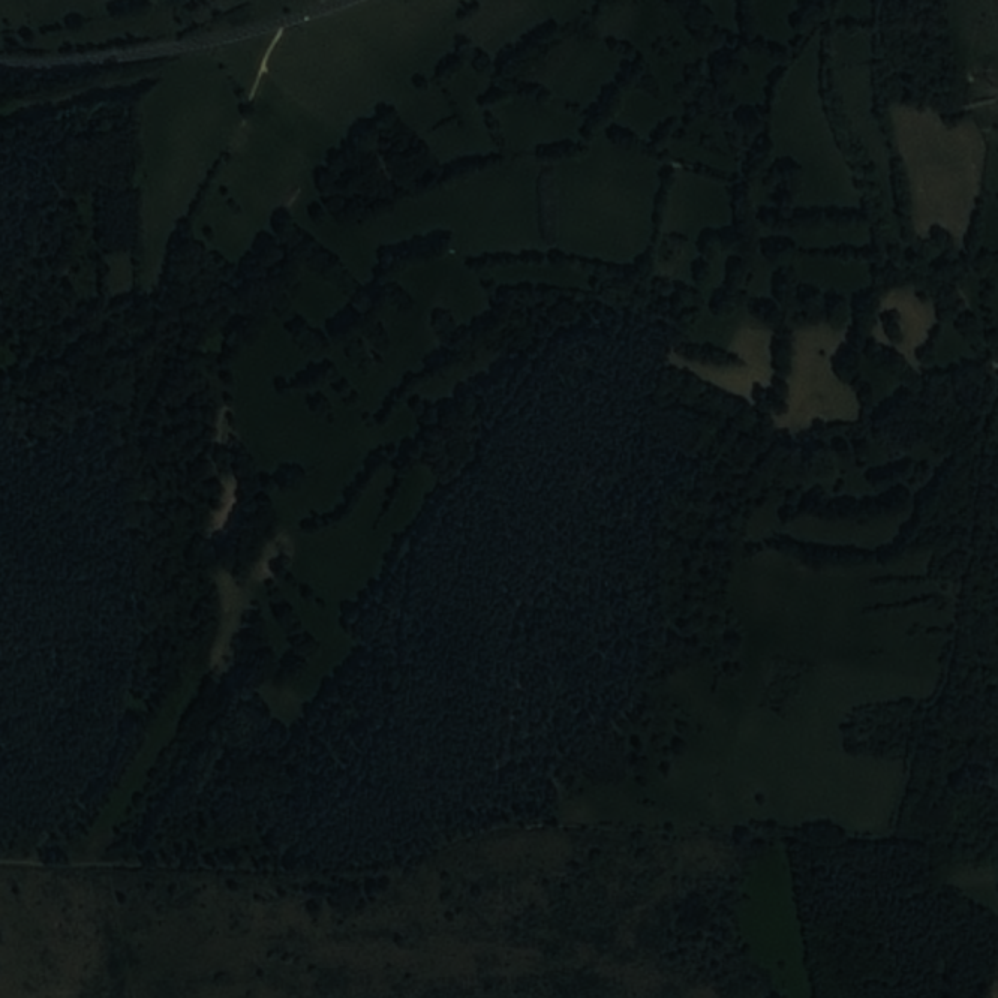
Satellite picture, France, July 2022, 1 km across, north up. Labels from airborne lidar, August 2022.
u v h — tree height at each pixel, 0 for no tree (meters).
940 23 15
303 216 0
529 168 0
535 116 0
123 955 0
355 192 7
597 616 25
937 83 18
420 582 25
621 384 27
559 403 24
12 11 0
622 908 0
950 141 0
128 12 20
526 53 12
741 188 24
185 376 33
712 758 0
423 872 0
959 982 16
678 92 7
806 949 9
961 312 16
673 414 25
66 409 23
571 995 0
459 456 20
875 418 22
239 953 0
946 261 17
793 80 0
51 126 25
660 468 25
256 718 33
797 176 21
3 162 25
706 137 7
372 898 16
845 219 20
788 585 0
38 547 24
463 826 22
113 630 27
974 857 14
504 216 0
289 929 0
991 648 18
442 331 11
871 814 0
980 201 11
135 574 28
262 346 0
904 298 0
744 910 0
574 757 21
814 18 17
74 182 18
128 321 20
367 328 25
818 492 13
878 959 13
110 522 29
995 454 14
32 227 29
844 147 19
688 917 13
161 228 0
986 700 20
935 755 19
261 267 25
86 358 25
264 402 0
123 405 31
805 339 0
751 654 0
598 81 0
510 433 21
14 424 21
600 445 22
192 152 0
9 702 24
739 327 0
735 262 18
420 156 18
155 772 10
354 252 0
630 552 22
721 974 8
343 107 0
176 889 8
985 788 18
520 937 7
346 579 0
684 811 0
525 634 17
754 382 0
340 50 0
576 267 9
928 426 21
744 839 19
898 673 0
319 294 0
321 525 11
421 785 23
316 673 0
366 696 25
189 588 9
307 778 23
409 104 0
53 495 23
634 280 17
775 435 16
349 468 0
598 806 0
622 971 0
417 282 0
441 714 18
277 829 22
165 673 24
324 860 23
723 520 24
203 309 24
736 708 0
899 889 10
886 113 18
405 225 0
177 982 0
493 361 0
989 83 0
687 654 18
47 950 0
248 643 17
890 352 18
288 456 0
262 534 26
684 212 0
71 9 0
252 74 0
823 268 0
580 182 0
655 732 7
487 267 8
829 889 16
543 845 0
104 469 26
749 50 18
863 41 0
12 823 22
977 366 16
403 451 13
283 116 0
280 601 7
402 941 12
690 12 26
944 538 14
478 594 17
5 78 30
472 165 18
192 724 16
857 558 17
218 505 17
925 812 13
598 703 26
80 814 23
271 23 0
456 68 17
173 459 10
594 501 23
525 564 19
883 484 18
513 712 12
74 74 20
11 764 22
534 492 16
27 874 0
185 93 0
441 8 0
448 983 0
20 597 24
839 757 0
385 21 0
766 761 0
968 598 9
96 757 24
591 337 24
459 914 6
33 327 7
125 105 19
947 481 16
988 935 15
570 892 9
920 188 0
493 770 19
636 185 0
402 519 0
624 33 0
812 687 0
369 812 27
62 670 24
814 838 17
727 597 9
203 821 24
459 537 21
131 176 20
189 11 11
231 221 0
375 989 0
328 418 19
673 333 21
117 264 0
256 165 0
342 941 0
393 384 0
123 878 0
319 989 0
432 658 22
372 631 23
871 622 0
